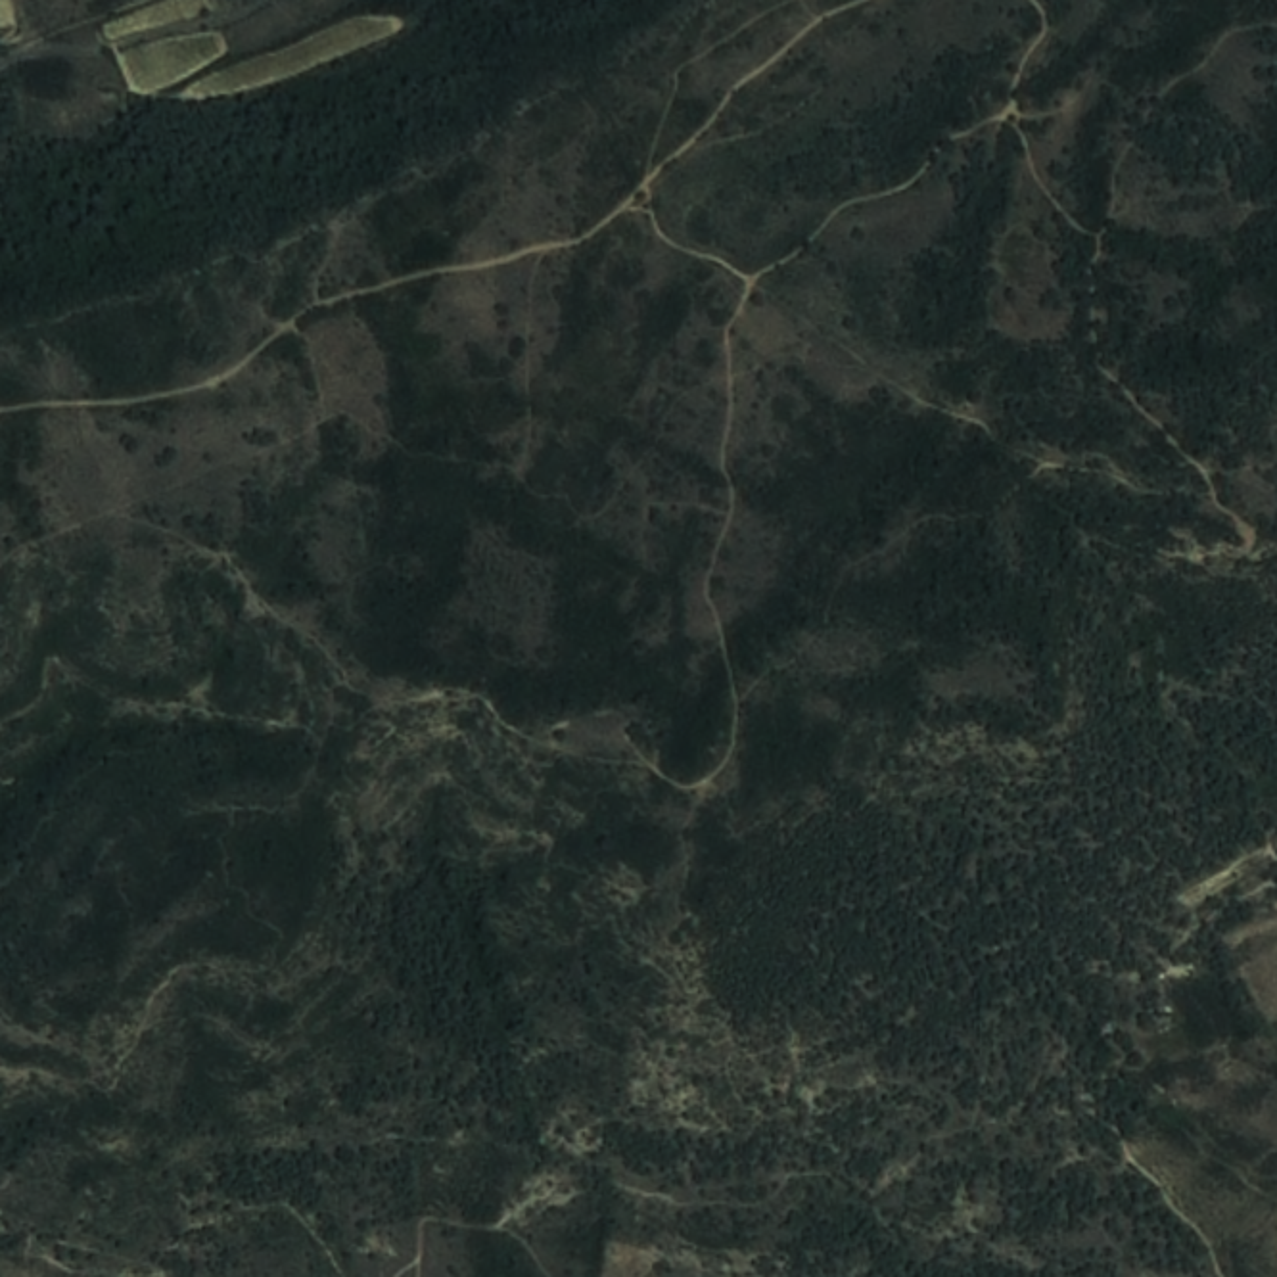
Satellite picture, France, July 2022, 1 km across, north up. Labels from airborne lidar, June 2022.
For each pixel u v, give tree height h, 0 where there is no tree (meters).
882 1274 12
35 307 6
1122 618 13
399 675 0
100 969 0
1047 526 6
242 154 12
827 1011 9
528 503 0
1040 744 8
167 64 0
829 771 7
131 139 13
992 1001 12
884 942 13
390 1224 6
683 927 0
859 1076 0
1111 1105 13
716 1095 0
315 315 7
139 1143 0
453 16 8
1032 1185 11
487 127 7
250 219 8
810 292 0
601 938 0
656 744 7
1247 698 11
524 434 0
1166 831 11
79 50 0
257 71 0
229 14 0
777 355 0
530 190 0
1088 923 10
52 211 11
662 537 0
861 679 6
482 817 0
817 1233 12
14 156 11
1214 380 7
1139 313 9
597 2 12
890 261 0
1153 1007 6
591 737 0
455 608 0
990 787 6
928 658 7
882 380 0
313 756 7
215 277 0
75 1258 11
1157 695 15
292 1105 10
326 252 0
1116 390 11
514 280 0
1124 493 7
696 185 0
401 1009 12
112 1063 0
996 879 13
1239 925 11
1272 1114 0
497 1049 9
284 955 0
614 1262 0
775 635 9
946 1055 10
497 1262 7
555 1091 8
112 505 0
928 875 11
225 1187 12
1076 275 11
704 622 0
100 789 0
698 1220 6
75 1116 0
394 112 12
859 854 10
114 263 5
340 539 0
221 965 0
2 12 0
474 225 0
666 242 0
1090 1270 12
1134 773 13
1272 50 7
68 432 0
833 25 0
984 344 6
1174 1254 10
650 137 0
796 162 8
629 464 0
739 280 0
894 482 9
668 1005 0
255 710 0
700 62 0
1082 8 0
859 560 0
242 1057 0
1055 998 13
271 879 0
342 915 8
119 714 0
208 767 8
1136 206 0
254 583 0
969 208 11
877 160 7
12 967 8
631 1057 0
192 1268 10
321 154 11
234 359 0
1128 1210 9
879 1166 10
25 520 7
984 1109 8
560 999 8
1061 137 0
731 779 0
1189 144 9
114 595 0
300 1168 12
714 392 0
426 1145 8
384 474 5
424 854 6
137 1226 0
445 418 0
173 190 11
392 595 7
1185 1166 0
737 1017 7
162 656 0
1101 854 11
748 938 11
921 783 0
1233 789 16
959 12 0
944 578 7
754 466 0
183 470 0
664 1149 11
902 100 9
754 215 0
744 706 8
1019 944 9
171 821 0
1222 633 9
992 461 7
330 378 0
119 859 0
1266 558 6
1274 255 10
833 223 0
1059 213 8
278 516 7
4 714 0
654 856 0
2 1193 0
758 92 0
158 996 0
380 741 0
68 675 0
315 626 0
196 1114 7
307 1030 0
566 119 0
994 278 13
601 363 0
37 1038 0
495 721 0
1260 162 11
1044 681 6
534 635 0
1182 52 7
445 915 15
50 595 8
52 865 0
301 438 0
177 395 0
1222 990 7
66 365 0
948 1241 8
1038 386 8
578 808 0
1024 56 0
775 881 11
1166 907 7
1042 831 11
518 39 6
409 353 0
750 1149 10
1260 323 8
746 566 0
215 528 11
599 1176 10
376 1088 14
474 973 7
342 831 0
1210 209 0
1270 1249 0
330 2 0
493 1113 7
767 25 0
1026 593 6
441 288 0
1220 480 7
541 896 0
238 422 0
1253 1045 0
